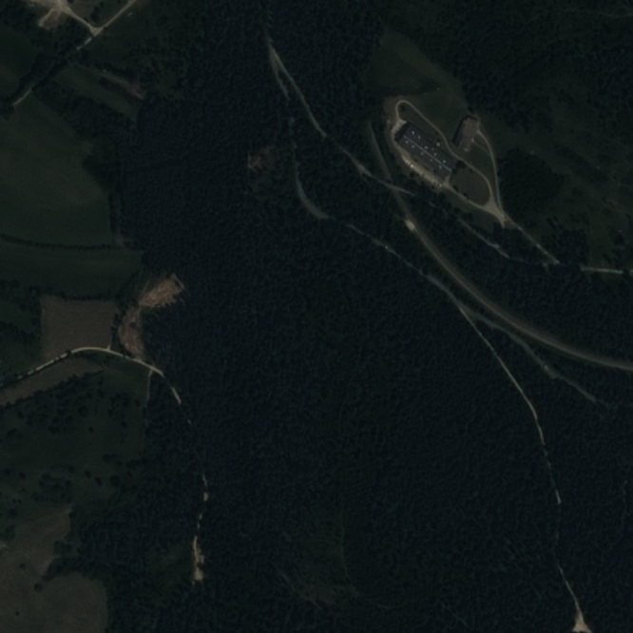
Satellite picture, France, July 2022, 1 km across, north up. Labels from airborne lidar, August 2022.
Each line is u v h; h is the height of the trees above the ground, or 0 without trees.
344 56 12
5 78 0
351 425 8
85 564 16
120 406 6
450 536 22
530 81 8
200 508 22
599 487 16
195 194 27
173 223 30
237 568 12
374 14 6
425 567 6
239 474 30
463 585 14
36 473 0
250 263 32
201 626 20
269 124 23
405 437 19
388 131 0
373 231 22
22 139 0
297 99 12
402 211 6
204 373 29
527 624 18
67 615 0
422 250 11
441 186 0
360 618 6
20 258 0
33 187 0
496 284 23
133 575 21
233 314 27
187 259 33
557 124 0
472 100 14
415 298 18
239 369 25
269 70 18
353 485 9
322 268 24
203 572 22
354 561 8
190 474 23
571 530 24
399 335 18
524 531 22
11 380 14
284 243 36
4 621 0
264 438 37
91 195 0
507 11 8
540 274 25
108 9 0
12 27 16
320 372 34
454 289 17
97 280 0
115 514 10
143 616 18
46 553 0
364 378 11
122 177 8
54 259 0
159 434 14
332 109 7
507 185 8
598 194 0
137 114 0
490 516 20
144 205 23
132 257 0
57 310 0
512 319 0
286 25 32
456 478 23
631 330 31
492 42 8
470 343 22
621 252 8
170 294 0
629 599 29
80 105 21
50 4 0
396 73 0
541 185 10
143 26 0
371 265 21
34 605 0
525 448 24
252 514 31
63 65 18
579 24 6
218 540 10
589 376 23
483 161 0
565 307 22
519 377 31
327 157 28
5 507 0
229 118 26
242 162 24
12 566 0
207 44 22
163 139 28
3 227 0
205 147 18
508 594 22
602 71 11
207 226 22
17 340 13
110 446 0
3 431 0
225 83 21
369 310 10
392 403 9
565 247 16
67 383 8
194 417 23
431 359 19
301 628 16
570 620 33
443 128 0
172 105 23
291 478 34
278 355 21
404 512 24
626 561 22
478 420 24
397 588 9
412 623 10
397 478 20
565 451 24
